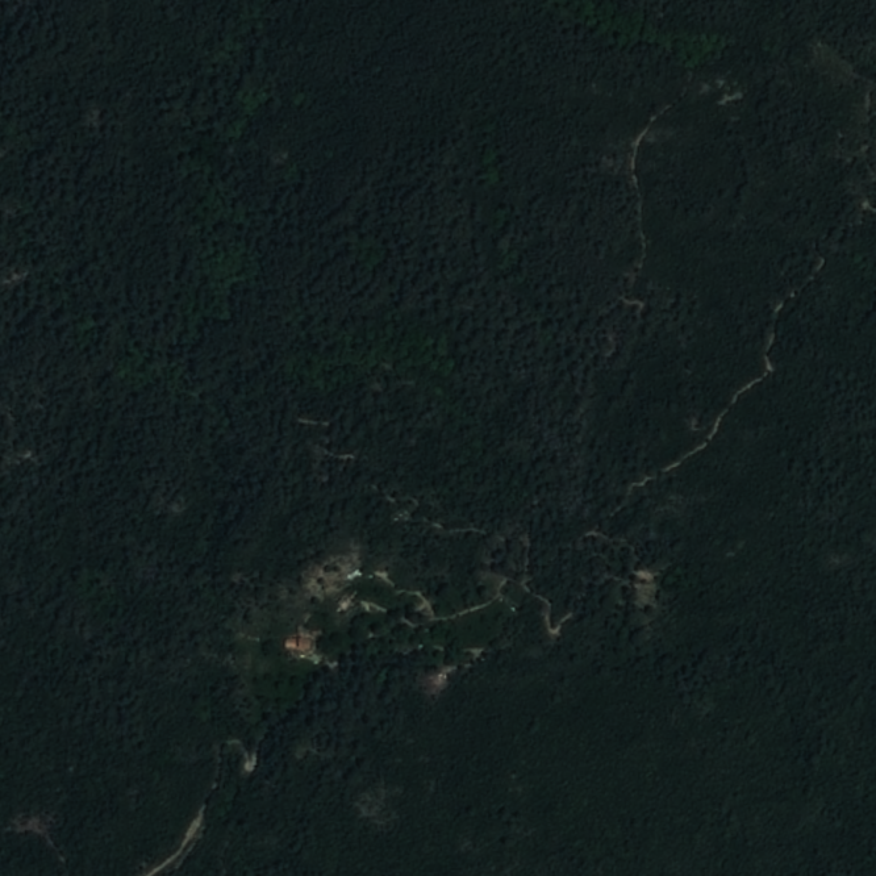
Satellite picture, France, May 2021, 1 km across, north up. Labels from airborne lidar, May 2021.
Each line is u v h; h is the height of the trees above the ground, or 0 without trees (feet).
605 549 35
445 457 39
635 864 21
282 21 48
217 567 31
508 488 39
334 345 38
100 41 62
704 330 22
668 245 29
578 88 24
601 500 37
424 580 24
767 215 25
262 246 73
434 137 20
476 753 26
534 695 19
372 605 0
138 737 71
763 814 33
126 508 65
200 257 51
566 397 38
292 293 63
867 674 32
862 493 54
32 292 79
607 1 51
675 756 21
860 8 39
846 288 31
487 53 37
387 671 46
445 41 40
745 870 25
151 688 29
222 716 56
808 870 33
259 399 22
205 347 76
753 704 42
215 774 37
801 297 36
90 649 22
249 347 64
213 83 64
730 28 23
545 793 30
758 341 52
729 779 36
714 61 48
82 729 46
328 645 49
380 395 56
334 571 21
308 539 40
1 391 55
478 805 22
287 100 42
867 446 63
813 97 43
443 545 41
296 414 43
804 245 28
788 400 24
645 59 62
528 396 60
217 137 49
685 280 30
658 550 67
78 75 68
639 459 62
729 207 21
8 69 47
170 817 20
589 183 64
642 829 23
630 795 24
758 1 32
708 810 27
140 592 40
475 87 22
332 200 48
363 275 73
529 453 21
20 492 42
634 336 66
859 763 31
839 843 46
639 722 27
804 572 51
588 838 24
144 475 67
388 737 41
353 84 53
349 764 18
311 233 24
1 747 44
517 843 64
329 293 73
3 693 31
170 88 75
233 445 18
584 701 17
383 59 50
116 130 64
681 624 21
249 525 72
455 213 81
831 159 25
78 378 58
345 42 44
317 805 32
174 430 83
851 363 30
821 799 43
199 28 50
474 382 55
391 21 38
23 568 29
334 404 49
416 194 73
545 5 42
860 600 27
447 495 22
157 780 40
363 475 74
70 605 73
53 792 36
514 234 79
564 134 40
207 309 45
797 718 41
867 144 37
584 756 25
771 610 32
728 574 24
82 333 42
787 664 44
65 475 61
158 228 54
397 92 35
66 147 69
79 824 27
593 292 35
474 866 22
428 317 70
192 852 25
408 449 31
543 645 36
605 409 26
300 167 32
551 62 48
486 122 37
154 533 32
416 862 21
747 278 21
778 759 40
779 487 23
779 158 40
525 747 24
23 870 31
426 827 30
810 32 52
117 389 81
